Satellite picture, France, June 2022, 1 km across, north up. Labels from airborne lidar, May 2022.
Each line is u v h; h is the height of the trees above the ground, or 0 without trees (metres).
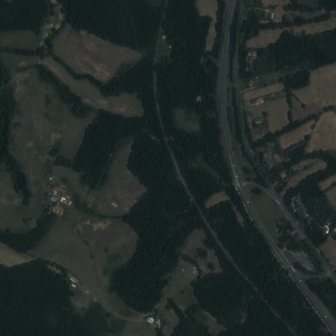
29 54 15
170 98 20
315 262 9
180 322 11
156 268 21
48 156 0
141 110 0
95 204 0
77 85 0
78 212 0
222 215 10
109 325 0
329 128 0
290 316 28
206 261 0
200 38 22
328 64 7
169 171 12
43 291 24
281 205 0
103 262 0
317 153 21
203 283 7
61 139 0
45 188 0
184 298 0
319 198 11
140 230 20
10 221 0
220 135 13
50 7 9
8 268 15
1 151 9
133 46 12
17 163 13
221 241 13
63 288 20
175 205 25
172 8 23
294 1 16
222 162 20
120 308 0
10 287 14
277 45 20
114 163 0
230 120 11
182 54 20
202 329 16
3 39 0
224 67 0
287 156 16
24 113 0
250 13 9
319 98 0
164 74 19
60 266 6
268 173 7
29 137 0
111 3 12
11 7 13
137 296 18
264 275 7
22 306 23
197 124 0
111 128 10
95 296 0
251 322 14
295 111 0
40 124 0
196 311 17
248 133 14
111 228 0
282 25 13
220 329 0
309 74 16
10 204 0
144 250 17
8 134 20
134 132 17
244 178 0
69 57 0
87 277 0
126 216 19
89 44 0
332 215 6
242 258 9
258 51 15
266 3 0
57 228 0
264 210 0
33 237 20
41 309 20
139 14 15
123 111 0
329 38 20
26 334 18
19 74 0
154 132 17
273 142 15
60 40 0
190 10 21
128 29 12
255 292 20
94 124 9
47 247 0
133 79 25
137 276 24
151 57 13
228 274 10
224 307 8
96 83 14
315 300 0
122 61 0
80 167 18
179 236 14
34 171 0
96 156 22
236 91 22
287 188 0
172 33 21
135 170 20
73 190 0
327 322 0
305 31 6
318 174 17
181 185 9
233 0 0
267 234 0
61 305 14
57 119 0
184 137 15
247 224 24
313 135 0
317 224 14
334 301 12
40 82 0
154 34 8
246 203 0
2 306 16
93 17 21
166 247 16
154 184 21
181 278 0
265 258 8
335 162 22
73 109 14
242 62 15
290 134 0
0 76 23
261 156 13
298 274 0
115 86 16
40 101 0
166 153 15
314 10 8
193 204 9
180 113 0
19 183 22
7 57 0
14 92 0
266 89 0
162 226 23
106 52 0
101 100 0
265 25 16
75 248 0
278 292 24
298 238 0
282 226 7
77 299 0
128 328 0
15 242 19
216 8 0
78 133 0
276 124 0
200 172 22
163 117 15
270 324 17
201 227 14
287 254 0
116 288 10
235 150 14
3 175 0
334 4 16
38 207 0
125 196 0
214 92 18
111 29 17
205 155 11
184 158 16
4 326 22
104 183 7
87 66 0
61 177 0
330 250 0
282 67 14
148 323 0
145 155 18
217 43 14
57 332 16
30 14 22
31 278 15
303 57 15
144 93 21
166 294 0
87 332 15
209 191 22
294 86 16
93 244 0
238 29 25
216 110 8
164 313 0
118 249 0
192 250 0
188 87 18
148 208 23
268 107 0
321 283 10
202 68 6
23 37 0
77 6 24
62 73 0
